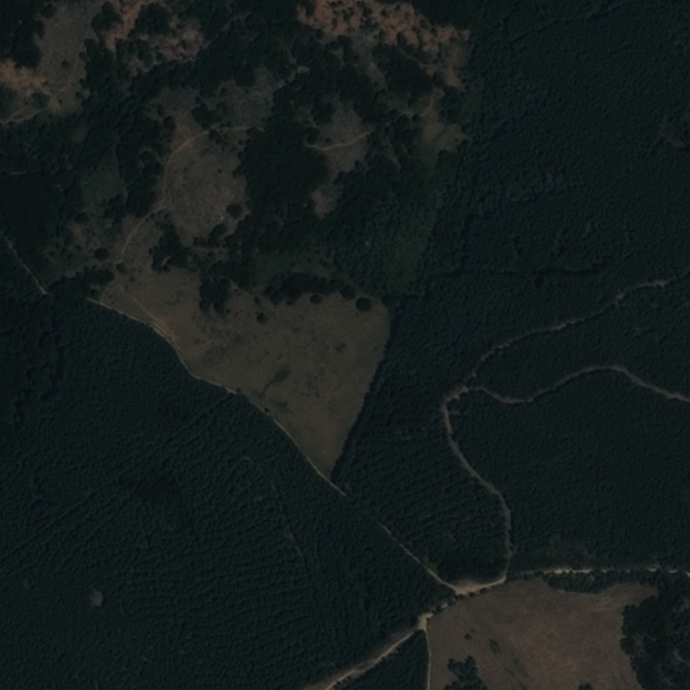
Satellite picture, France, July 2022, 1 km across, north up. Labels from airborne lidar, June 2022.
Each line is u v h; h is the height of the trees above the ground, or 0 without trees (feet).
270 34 33
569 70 65
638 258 77
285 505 46
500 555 30
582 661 0
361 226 55
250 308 0
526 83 54
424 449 65
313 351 0
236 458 56
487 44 40
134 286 0
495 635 0
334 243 26
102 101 19
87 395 65
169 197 0
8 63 46
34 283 30
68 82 0
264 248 37
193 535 54
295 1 33
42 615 60
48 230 39
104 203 19
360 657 94
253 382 0
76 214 43
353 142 0
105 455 70
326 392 0
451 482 65
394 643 0
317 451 0
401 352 58
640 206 63
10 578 59
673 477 60
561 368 50
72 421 67
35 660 63
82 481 70
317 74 29
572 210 63
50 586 54
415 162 21
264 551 70
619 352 56
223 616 57
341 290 42
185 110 0
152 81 43
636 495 67
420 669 61
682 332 74
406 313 72
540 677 0
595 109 71
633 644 37
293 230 39
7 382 83
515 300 66
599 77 65
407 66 23
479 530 55
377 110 33
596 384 59
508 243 88
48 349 66
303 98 40
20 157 41
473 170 38
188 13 27
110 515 66
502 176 82
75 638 53
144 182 51
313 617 68
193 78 31
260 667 72
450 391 60
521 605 0
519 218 84
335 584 54
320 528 63
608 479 65
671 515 67
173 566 72
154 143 34
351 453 77
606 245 66
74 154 33
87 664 46
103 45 26
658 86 68
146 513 42
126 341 62
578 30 77
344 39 36
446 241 65
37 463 73
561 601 0
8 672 70
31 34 39
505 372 61
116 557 62
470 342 53
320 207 0
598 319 56
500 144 88
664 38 92
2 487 92
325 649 78
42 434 68
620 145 70
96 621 48
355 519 80
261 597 62
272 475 58
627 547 74
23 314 60
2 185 44
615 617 0
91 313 68
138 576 56
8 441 77
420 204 28
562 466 60
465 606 0
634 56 67
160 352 55
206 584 62
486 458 54
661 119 75
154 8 64
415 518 63
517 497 64
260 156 37
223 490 60
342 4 39
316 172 41
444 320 48
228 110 26
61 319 77
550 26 60
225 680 59
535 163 88
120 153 47
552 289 58
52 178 50
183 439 63
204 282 23
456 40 29
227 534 67
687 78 90
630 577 44
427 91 46
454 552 29
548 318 59
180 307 0
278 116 31
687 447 64
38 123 24
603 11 42
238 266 49
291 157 41
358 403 0
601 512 61
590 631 0
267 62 24
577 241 67
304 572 60
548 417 66
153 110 37
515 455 68
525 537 71
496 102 34
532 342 58
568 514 67
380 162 38
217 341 0
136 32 50
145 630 57
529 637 0
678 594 23
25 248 39
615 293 55
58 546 64
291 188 47
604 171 64
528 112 61
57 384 77
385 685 67
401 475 70
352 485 69
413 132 29
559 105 89
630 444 61
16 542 72
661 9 82
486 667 0
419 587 64
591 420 60
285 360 0
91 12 0
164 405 53
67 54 0
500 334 62
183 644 66
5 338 79
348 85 31
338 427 0
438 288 84
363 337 0
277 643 62
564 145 77
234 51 33
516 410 60
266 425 59
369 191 31
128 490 53
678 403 57
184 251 28
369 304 55
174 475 71
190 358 0
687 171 66
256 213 36
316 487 77
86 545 55
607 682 0
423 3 47
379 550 69
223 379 0
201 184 0
